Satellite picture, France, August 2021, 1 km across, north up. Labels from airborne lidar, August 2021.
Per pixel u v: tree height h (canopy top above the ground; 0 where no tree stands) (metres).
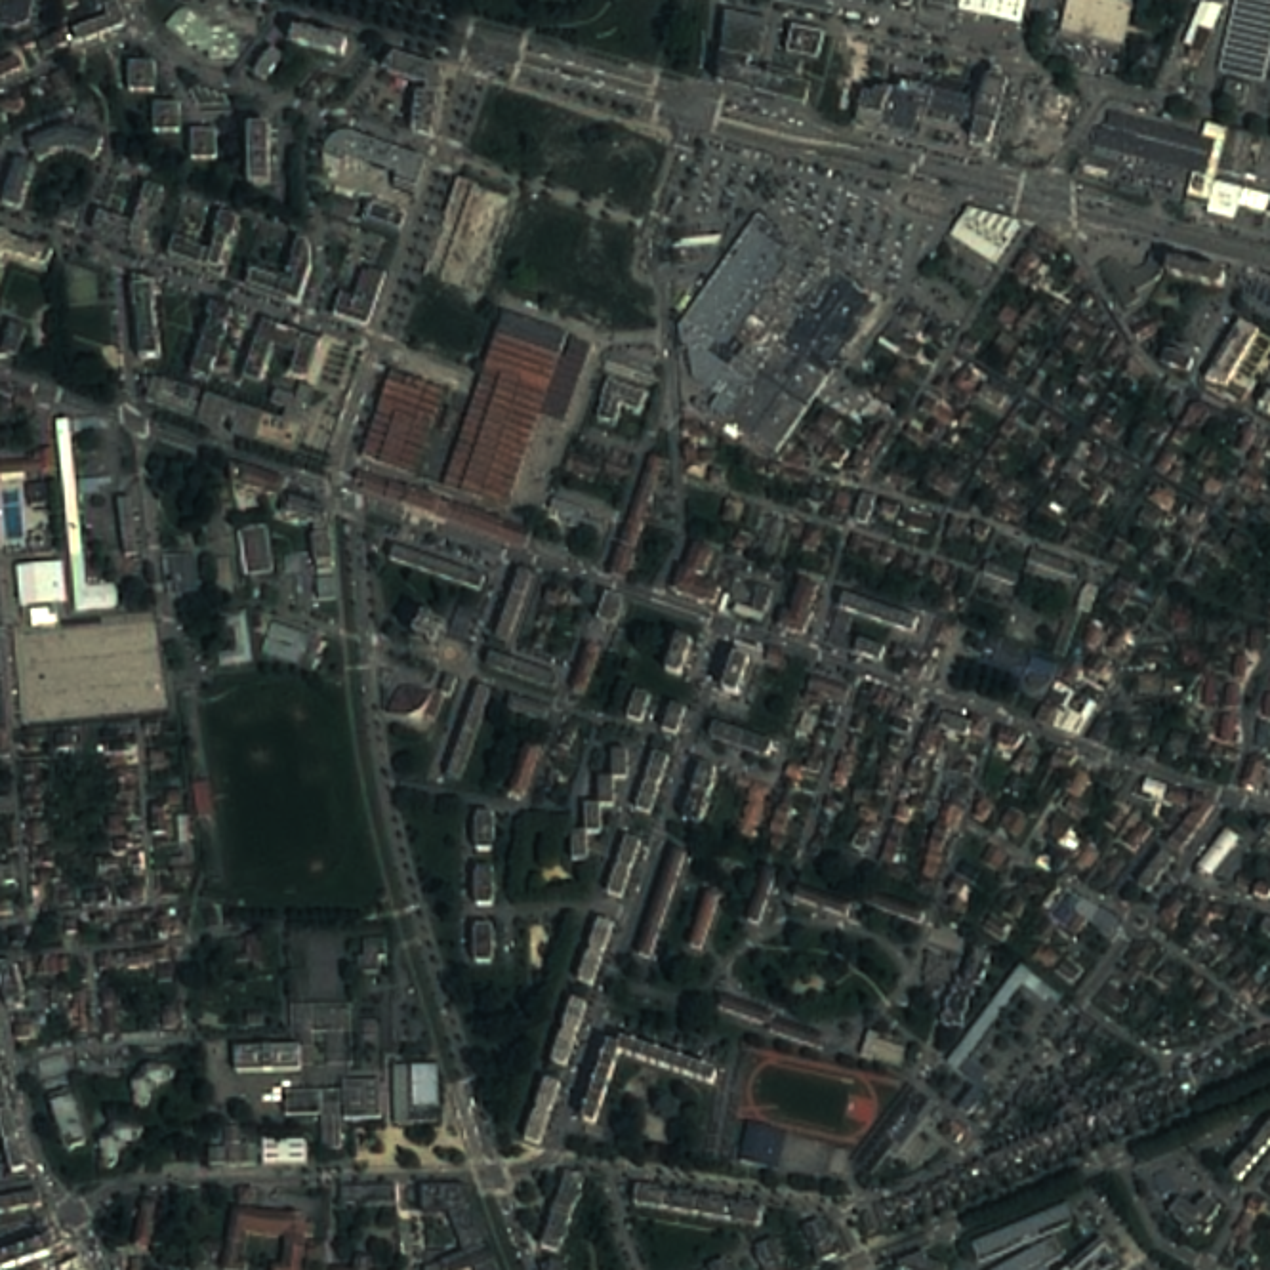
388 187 0
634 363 0
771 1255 0
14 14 0
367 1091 0
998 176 0
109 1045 0
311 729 0
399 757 10
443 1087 8
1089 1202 6
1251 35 0
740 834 18
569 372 0
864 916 12
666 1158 8
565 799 9
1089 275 0
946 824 0
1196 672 6
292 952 8
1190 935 5
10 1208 0
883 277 0
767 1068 0
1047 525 8
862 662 0
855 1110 0
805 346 0
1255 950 6
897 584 8
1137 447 12
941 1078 8
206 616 24
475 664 0
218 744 0
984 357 6
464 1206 0
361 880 0
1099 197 0
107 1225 12
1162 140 0
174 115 0
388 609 0
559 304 8
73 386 14
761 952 11
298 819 0
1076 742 0
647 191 0
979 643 8
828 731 7
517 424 0
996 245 0
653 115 0
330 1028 0
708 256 0
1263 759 0
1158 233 0
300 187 18
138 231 0
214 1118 9
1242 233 0
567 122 0
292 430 0
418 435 0
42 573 0
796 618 0
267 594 10
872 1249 0
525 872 13
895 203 0
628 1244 0
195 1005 8
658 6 0
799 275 0
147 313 0
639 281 0
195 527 14
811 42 0
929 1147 0
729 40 0
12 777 11
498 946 0
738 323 0
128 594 19
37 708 0
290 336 0
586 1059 0
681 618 0
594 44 0
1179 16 13
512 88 0
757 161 0
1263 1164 0
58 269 10
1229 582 7
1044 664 0
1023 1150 0
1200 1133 20
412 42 10
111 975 8
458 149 0
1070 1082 8
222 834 0
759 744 0
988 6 0
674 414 0
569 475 8
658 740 11
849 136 0
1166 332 12
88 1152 0
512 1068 31
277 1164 0
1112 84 0
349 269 0
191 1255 7
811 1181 12
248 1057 0
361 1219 11
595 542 17
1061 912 0
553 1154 0
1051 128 0
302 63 21
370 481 0
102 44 0
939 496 6
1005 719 0
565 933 17
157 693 0
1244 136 0
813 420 7
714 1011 25
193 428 12
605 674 9
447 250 0
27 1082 14
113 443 0
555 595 0
